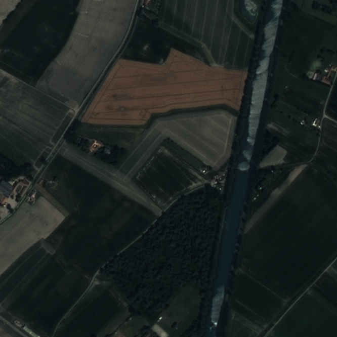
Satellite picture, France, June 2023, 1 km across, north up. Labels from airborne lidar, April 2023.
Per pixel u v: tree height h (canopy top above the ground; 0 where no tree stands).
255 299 0
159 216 0
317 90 0
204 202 13
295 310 0
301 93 0
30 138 0
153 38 0
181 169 0
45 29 0
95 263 0
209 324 0
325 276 0
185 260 16
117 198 0
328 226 0
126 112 0
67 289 0
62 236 0
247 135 0
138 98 0
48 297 0
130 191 0
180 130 0
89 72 0
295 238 0
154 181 0
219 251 0
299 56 0
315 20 0
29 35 0
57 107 0
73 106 0
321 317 0
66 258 0
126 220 0
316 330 0
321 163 0
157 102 0
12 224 0
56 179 8
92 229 0
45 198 0
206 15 0
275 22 0
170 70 0
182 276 7
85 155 0
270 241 0
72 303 0
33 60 0
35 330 0
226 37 0
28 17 0
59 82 0
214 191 24
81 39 0
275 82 0
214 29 0
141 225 0
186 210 5
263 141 9
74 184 0
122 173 0
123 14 0
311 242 0
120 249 0
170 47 0
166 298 16
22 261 0
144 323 0
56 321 0
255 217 0
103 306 0
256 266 0
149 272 17
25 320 0
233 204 0
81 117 0
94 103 0
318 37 0
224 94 0
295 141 0
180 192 0
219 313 0
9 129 0
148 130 0
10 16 8
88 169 0
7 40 0
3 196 0
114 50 0
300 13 0
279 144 0
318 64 0
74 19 0
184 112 0
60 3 0
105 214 0
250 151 0
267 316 0
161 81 0
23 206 0
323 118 0
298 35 0
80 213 0
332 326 0
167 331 0
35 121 0
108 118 0
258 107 0
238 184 0
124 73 0
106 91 0
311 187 0
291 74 0
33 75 0
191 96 0
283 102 0
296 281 0
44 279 0
